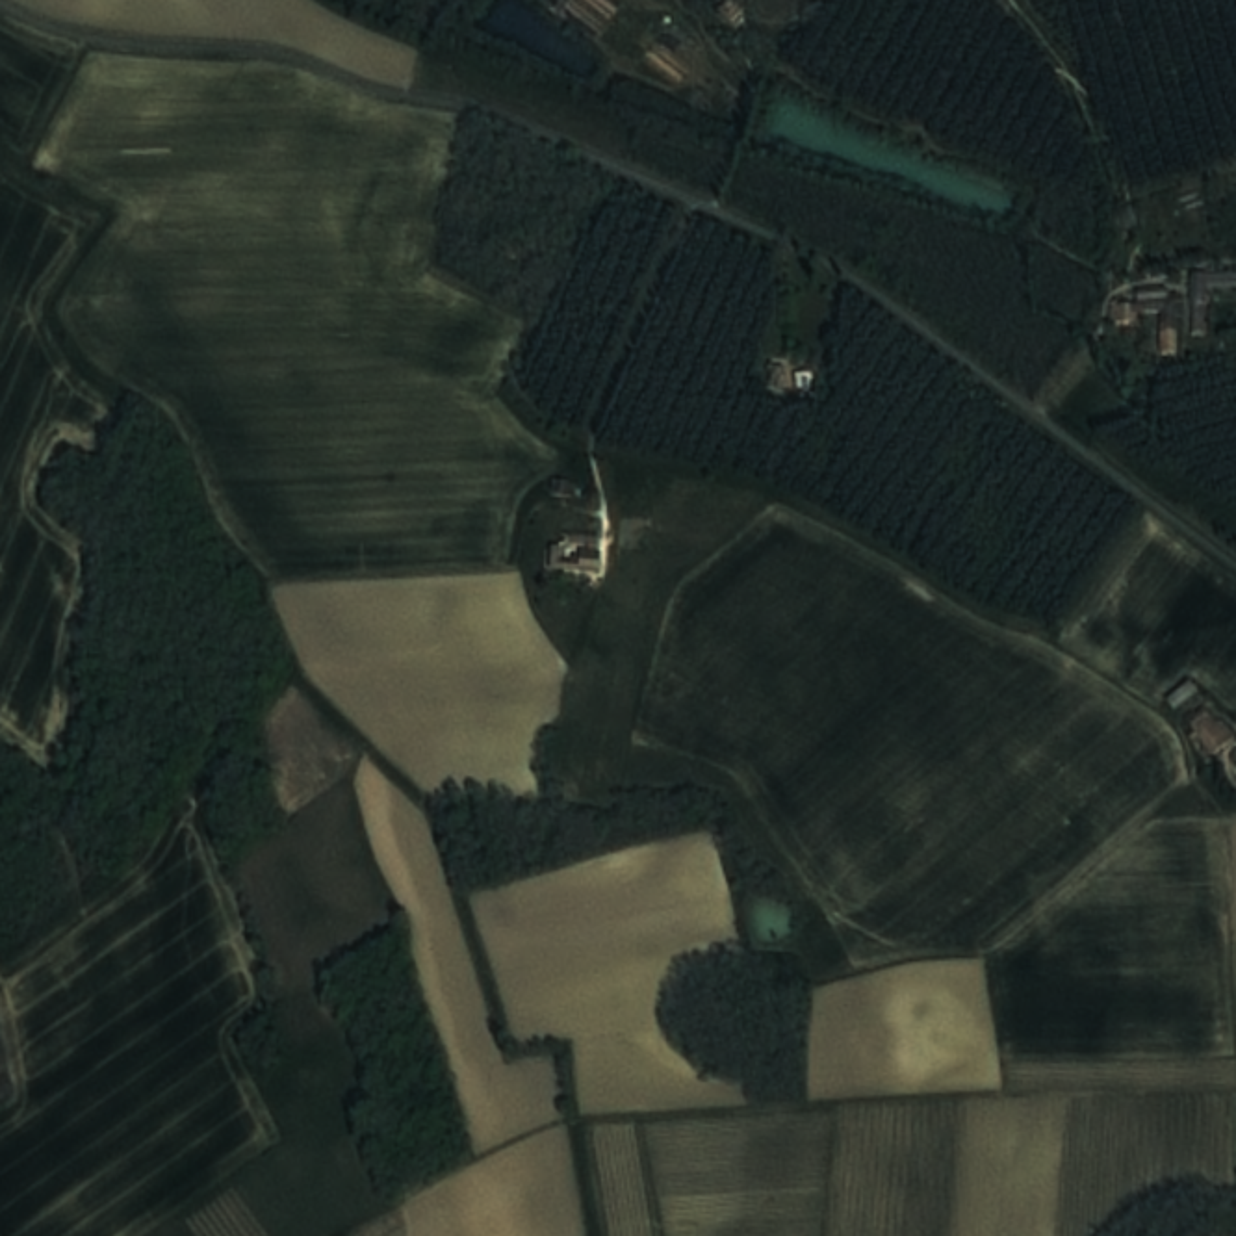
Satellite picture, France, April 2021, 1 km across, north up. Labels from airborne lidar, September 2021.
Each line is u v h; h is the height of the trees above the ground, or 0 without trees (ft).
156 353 0
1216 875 0
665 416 54
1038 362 68
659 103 52
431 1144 73
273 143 0
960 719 0
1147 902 0
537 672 0
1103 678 0
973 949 0
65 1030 0
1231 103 54
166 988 0
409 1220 0
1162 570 0
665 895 0
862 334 54
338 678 0
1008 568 26
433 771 0
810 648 0
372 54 0
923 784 0
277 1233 0
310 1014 0
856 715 0
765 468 46
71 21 0
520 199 49
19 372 0
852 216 71
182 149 0
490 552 0
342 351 0
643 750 0
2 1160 0
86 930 0
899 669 0
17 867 49
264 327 0
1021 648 0
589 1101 0
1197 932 0
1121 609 0
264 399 0
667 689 0
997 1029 0
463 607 0
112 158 0
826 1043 0
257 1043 24
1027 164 52
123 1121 0
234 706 75
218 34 0
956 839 0
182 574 73
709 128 49
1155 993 0
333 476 0
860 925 0
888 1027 0
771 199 59
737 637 0
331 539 0
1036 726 0
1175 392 63
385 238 0
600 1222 0
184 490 65
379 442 0
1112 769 0
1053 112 55
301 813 0
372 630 0
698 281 46
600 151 0
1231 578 0
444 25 60
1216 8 50
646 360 45
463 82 0
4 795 51
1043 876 0
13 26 0
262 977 56
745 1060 55
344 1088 0
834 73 38
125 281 0
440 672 0
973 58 47
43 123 0
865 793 0
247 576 56
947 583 29
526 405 32
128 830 86
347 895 0
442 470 0
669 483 0
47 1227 0
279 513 0
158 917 0
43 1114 0
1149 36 52
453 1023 0
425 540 0
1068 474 47
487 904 0
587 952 0
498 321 0
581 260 47
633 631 0
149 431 72
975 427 47
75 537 60
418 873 0
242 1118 0
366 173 0
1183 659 0
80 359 0
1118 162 42
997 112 47
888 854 0
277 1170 0
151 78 0
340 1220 0
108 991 0
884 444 46
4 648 0
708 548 0
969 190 0
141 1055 0
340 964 53
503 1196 0
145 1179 0
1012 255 69
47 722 0
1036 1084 0
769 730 0
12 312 0
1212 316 19
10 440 0
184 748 92
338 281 0
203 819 32
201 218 0
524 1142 0
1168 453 47
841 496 41
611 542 0
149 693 67
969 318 66
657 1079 0
